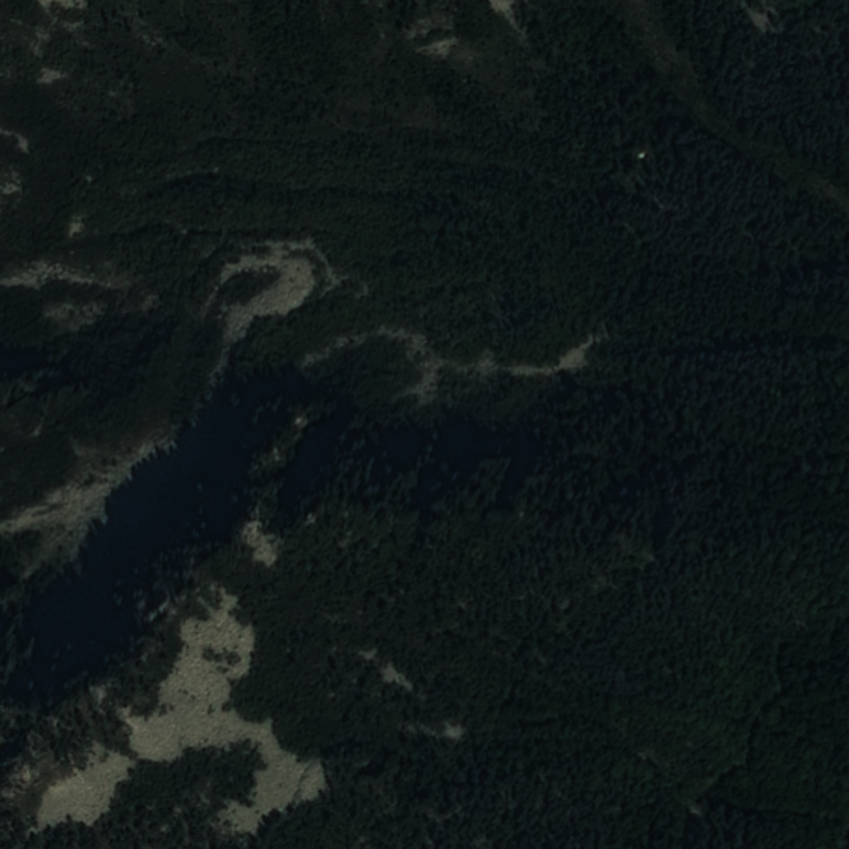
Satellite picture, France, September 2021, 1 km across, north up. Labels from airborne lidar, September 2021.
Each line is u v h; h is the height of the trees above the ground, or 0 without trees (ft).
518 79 26
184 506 28
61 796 0
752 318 36
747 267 45
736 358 108
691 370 106
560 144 33
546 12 41
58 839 46
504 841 65
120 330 22
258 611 31
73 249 0
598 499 35
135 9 0
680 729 49
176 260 23
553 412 29
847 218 48
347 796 29
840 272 127
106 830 38
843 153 77
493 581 27
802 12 71
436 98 38
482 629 29
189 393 17
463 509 23
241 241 19
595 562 20
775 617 72
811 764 70
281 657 29
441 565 24
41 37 0
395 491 45
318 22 37
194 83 0
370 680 36
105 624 19
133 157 20
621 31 50
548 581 66
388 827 49
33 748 25
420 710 31
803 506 69
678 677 61
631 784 40
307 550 30
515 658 33
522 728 29
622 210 109
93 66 21
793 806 76
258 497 52
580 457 25
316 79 31
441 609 19
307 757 18
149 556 35
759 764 71
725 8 75
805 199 49
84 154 25
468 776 24
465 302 21
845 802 67
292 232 21
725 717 56
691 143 111
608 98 34
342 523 20
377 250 26
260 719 25
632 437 87
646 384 36
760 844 88
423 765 20
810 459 22
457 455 38
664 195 86
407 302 25
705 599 65
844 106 108
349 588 30
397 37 23
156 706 0
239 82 28
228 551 31
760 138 131
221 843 55
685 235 100
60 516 0
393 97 38
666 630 72
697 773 39
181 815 23
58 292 20
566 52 29
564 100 41
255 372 21
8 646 57
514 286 37
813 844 62
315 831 24
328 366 23
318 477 68
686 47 61
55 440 18
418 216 19
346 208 21
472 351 21
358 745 26
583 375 23
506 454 20
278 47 37
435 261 18
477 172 19
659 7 28
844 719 68
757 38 100
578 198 31
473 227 64
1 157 0
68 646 68
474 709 25
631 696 77
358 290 19
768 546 84
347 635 30
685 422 70
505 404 20
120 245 18
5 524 0
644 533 99
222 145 18
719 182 81
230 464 17
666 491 109
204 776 41
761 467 72
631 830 92
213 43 30
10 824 53
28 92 18
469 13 20
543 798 27
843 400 125
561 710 33
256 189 21
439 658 23
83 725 42
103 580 19
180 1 0
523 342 30
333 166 35
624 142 68
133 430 23
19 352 18
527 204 39
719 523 70
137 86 31
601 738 36
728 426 65
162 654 23
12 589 62
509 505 24
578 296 20
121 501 0
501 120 44
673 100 48
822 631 92
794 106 96
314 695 28
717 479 55
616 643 72
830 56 114
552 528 80
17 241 21
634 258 49
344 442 65
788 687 46
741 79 103
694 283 31
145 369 21
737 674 74
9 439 18
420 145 23
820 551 97
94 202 25
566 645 66
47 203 22
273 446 38
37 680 20
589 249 48
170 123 28
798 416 89
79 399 35
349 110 0
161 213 21
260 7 35
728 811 83
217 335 0
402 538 25
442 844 92
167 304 20
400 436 19
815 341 44
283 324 20
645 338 49
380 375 20
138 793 28
